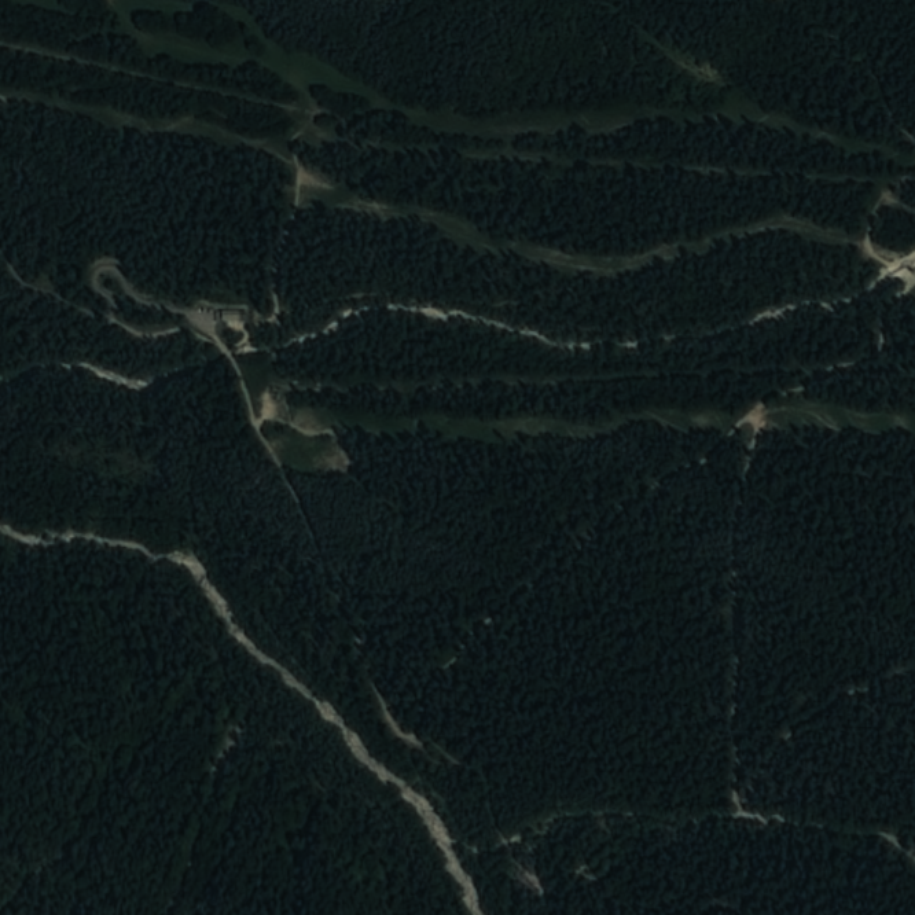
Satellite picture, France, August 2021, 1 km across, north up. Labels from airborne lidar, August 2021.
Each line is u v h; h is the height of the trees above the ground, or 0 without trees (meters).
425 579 31
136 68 14
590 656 20
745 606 25
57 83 20
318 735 13
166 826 16
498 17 23
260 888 13
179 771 20
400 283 6
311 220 29
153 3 0
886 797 25
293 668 11
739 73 15
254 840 27
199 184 24
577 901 19
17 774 21
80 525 15
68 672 23
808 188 15
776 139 18
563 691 10
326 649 26
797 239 14
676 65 17
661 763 15
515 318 12
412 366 17
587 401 8
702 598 24
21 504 25
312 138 0
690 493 23
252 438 24
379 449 31
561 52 16
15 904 14
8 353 10
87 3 21
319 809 22
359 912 14
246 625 8
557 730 22
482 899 7
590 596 8
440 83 27
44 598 18
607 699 19
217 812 21
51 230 22
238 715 25
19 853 15
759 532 19
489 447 6
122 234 24
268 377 0
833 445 19
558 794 14
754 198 25
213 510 18
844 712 19
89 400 25
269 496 22
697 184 17
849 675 13
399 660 11
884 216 17
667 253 0
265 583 27
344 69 18
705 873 23
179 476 27
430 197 11
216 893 21
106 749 15
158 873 20
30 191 21
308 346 8
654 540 19
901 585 24
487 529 29
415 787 7
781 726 16
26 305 14
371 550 17
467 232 0
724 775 19
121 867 16
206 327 0
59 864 20
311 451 0
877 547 20
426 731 25
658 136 21
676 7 17
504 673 20
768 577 23
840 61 20
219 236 22
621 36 26
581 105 14
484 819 14
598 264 0
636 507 21
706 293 12
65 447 13
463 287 8
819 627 26
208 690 25
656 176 11
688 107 12
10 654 26
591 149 10
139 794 19
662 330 23
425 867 19
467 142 16
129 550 13
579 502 21
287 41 16
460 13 25
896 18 23
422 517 26
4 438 24
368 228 27
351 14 18
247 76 20
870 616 21
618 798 20
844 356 21
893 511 17
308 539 21
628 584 22
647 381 12
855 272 16
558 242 27
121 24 15
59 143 17
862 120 28
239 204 29
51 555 22
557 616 22
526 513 20
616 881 24
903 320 12
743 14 19
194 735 14
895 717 21
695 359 19
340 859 17
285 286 27
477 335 14
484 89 17
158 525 15
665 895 24
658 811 15
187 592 15
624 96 16
